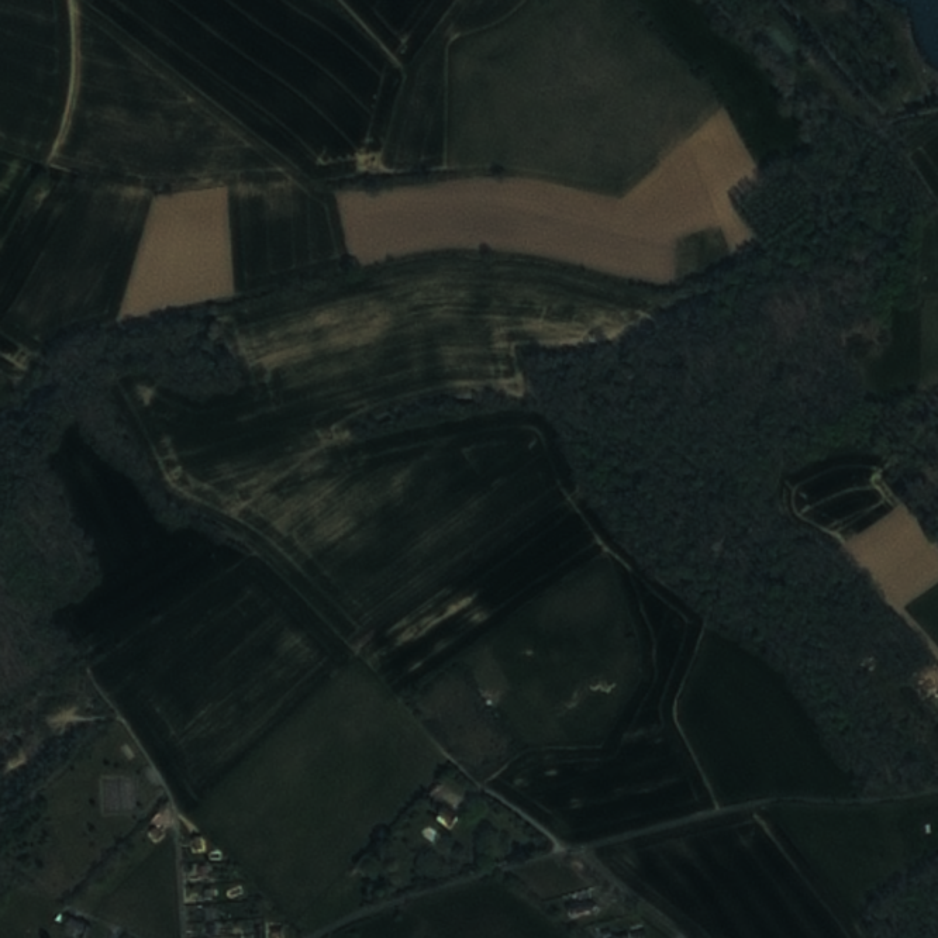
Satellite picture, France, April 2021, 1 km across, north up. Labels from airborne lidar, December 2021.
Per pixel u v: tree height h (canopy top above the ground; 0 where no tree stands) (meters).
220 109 0
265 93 0
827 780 0
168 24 0
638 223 0
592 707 0
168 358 26
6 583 22
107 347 17
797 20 19
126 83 0
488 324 0
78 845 0
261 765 0
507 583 0
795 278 22
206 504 0
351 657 0
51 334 0
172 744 0
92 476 0
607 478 17
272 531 0
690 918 0
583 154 0
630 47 0
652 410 26
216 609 0
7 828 14
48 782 10
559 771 0
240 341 0
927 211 22
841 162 32
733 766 0
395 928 0
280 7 0
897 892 22
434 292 0
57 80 0
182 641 0
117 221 0
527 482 0
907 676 19
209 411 0
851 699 21
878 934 17
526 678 0
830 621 18
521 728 0
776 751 0
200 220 0
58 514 21
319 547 0
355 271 24
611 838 0
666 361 23
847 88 27
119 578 0
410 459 0
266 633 0
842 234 22
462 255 0
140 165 0
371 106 0
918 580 0
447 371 0
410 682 0
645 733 0
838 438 22
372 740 0
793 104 27
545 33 0
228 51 0
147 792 0
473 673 0
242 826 0
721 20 25
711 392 23
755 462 24
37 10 0
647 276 0
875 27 24
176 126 0
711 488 22
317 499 0
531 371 20
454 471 0
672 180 0
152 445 0
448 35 0
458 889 0
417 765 0
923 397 11
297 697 0
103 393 20
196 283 0
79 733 14
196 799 0
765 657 18
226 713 0
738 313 21
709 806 0
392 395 0
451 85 0
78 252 0
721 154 0
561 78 0
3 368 0
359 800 0
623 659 0
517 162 0
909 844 0
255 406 0
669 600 0
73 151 0
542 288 0
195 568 0
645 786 0
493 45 0
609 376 6
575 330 0
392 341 0
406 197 0
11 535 19
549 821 0
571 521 0
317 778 0
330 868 0
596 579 0
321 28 0
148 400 0
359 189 9
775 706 0
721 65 0
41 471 20
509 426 0
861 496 0
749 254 9
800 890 0
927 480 27
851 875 0
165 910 0
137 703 0
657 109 0
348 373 0
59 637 19
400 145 0
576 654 0
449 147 0
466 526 0
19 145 0
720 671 0
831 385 21
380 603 0
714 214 0
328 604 0
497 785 0
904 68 0
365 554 0
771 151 0
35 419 23
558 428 17
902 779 19
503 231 0
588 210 0
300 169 0
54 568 25
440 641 0
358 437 9
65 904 10
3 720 15
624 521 16
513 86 0
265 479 0
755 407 19
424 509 0
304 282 13
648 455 21
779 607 20
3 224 0
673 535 19
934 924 23
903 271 21
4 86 0
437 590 0
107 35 0
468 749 0
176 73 0
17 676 22
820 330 22
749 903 0
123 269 0
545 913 6
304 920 0
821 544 18
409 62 0
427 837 0
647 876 0
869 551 0
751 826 0
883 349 0
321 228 0
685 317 19
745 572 20
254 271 0
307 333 0
